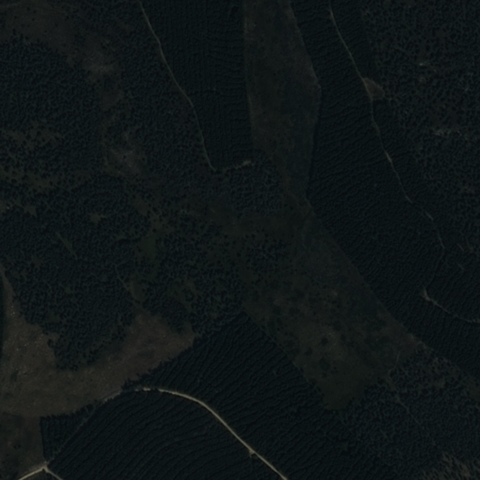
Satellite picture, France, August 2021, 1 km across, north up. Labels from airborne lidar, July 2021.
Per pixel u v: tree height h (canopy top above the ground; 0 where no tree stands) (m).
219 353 20
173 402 13
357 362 0
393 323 0
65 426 15
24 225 13
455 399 15
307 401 23
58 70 9
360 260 21
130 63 7
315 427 24
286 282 0
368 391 9
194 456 14
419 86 13
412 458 15
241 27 20
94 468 11
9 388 0
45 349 0
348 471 22
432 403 16
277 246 10
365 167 18
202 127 17
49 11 0
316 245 0
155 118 12
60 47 0
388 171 16
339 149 19
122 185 13
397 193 19
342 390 0
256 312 0
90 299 12
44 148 10
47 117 13
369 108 16
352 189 20
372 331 0
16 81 11
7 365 0
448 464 11
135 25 12
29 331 0
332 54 15
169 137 15
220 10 22
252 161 19
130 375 0
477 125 15
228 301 15
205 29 18
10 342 0
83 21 7
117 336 8
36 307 12
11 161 13
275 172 11
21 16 0
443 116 13
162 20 15
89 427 16
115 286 17
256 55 0
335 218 21
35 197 14
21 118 7
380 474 20
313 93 0
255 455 9
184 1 16
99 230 11
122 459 11
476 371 16
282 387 19
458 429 17
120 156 0
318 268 0
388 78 11
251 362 18
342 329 0
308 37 15
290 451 18
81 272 13
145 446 12
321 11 13
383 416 18
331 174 14
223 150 17
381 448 15
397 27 9
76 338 9
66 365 7
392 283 15
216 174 9
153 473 13
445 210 14
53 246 12
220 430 12
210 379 14
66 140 11
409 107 11
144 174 0
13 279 12
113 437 13
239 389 16
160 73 9
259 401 18
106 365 0
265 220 0
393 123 17
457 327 18
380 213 20
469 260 17
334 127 15
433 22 10
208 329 14
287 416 21
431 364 14
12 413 0
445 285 16
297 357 0
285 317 0
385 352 0
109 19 6
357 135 15
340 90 17
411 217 19
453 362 20
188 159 7
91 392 0
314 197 22
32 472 0
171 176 10
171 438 11
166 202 13
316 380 0
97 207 12
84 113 12
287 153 0
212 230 6
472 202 13
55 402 0
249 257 10
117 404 12
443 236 21
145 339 0
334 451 22
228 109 20
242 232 0
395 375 10
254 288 0
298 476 18
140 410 13
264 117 0
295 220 0
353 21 16
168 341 0
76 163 12
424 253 19
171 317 7
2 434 0
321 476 19
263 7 0
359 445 22
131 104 7
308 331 0
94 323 14
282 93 0
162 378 13
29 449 0
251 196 12
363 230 19
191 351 15
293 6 14
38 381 0
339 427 20
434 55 12
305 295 0
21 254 14
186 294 7
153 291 9
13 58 12
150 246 0
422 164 13
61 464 15
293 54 0
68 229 15
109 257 14
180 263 16
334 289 0
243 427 14
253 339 19
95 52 0
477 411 15
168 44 15
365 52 14
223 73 19
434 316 18
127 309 13
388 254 18
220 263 9
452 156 15
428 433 10
